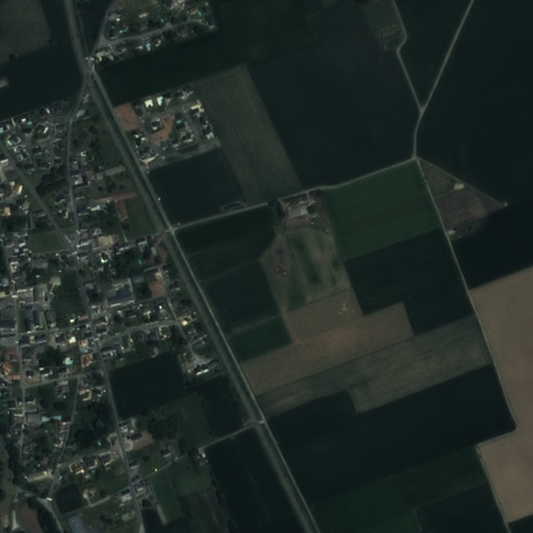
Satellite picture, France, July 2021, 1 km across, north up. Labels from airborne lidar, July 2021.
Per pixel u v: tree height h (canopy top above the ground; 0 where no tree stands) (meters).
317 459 0
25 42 0
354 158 0
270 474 0
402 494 0
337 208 0
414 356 0
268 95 0
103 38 0
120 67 0
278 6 0
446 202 0
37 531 0
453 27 0
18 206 6
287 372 0
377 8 0
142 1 0
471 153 0
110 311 0
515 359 0
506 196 0
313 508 0
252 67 0
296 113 0
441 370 0
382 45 0
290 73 0
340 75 0
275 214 0
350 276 0
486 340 0
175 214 0
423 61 0
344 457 0
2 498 21
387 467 0
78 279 0
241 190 0
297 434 0
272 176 0
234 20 0
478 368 0
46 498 14
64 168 13
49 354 8
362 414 0
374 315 0
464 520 0
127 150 0
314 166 0
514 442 0
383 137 0
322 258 0
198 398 0
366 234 0
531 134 0
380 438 0
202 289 0
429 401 0
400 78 0
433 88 0
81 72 0
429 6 0
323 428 0
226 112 0
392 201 0
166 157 0
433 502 0
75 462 0
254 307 0
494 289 0
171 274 0
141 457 0
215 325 0
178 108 0
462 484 0
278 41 0
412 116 0
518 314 0
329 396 0
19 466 9
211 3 0
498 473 0
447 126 0
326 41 0
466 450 0
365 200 0
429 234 0
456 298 0
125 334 0
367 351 0
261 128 0
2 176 0
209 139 0
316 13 0
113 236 0
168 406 0
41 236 0
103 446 9
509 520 0
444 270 0
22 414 0
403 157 0
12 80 0
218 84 0
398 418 0
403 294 0
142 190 0
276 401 0
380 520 0
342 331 0
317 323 0
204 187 0
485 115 0
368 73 0
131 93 0
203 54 0
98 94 0
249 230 0
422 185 0
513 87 0
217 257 0
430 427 0
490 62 0
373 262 0
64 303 0
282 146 0
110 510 0
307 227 0
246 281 0
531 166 0
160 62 0
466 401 0
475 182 0
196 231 0
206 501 0
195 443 0
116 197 0
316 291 0
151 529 0
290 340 0
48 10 0
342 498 0
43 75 0
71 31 0
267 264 0
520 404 0
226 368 0
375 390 0
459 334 0
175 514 0
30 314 0
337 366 0
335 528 0
